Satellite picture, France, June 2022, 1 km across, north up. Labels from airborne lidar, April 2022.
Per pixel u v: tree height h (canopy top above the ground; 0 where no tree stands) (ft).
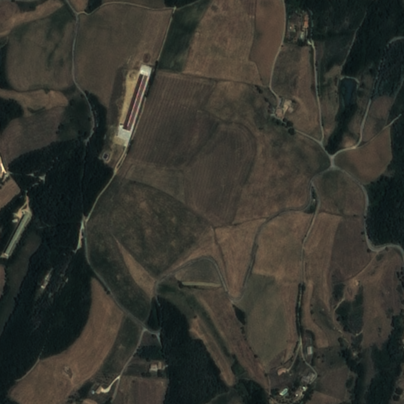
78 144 52
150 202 0
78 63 0
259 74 0
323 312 0
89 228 0
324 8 23
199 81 0
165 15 0
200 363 52
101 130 39
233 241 0
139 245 0
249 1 0
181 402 55
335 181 0
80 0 0
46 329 31
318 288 0
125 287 0
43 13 0
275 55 0
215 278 0
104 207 0
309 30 29
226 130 0
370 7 44
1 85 46
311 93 0
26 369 36
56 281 33
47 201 51
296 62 0
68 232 52
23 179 47
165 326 51
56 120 0
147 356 54
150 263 0
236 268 0
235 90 0
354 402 49
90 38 0
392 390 22
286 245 0
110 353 0
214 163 0
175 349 56
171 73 0
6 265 33
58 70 0
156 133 0
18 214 0
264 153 0
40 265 39
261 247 0
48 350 24
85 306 34
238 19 0
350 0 45
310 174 0
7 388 33
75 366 0
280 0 0
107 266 0
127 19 0
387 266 0
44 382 0
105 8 0
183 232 0
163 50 0
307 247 0
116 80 0
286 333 0
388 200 38
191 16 0
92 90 0
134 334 0
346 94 0
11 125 0
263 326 0
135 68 0
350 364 48
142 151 0
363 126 0
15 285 0
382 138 0
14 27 0
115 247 0
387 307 0
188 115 0
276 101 0
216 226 0
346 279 0
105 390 0
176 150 0
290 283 0
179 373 49
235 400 0
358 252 0
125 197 0
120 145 0
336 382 0
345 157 0
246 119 0
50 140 0
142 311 0
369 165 0
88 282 35
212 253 0
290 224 0
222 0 0
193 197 0
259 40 0
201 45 0
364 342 0
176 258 0
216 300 0
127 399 0
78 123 0
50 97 0
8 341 29
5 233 20
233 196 0
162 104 0
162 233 0
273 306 0
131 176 0
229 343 0
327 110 0
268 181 0
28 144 0
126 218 0
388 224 43
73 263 31
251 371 0
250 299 0
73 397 24
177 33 0
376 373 0
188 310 0
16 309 46
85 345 0
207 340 0
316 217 0
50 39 0
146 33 0
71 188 47
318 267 0
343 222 0
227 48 0
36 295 43
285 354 0
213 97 0
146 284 0
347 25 0
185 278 0
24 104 0
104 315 0
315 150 0
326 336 0
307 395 45
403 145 22
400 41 28
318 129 0
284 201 0
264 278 0
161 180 0
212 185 0
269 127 0
